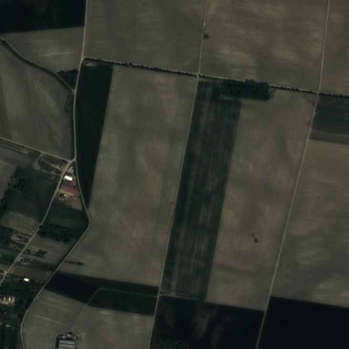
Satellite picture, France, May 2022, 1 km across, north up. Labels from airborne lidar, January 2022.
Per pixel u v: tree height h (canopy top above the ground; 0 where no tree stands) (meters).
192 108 0
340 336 0
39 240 0
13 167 0
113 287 0
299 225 0
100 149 0
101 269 0
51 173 0
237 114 0
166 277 0
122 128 0
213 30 0
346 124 0
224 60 0
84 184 0
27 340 0
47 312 0
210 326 0
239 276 0
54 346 0
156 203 0
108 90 0
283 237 0
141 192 0
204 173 0
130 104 0
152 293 0
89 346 0
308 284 0
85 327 0
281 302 0
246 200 0
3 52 0
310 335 0
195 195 0
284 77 0
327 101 0
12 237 0
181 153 0
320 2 0
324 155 0
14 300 0
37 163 0
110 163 0
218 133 0
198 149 0
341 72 0
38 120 0
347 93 0
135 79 0
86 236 0
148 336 0
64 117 0
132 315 0
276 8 0
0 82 0
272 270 0
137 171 0
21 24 0
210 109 0
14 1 0
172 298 0
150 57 0
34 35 0
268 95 15
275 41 0
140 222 0
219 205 0
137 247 0
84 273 0
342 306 0
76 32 0
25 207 0
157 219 0
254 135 0
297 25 0
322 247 0
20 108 0
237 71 0
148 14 0
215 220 0
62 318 0
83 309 0
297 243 0
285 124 0
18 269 0
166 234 0
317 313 0
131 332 0
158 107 0
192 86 0
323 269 0
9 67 0
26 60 0
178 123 0
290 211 0
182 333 0
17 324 0
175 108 0
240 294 0
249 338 0
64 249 0
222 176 0
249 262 0
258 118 0
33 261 0
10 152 0
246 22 0
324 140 0
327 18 0
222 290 0
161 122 0
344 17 0
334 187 0
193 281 0
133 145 0
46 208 0
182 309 0
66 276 0
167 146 0
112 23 0
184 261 0
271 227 0
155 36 0
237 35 0
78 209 0
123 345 0
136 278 0
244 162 0
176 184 0
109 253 0
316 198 0
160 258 0
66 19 0
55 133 0
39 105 0
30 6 0
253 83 16
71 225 0
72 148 0
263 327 0
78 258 0
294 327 0
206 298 0
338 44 0
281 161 0
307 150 0
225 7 0
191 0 0
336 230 0
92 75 0
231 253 0
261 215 0
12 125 0
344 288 0
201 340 0
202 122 0
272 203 0
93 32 0
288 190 0
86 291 0
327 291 0
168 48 0
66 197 0
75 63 0
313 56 0
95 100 0
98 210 0
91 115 0
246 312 0
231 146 0
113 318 0
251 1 0
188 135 0
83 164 0
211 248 0
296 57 0
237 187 0
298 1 0
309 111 0
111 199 0
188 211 0
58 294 0
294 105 0
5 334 5
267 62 0
